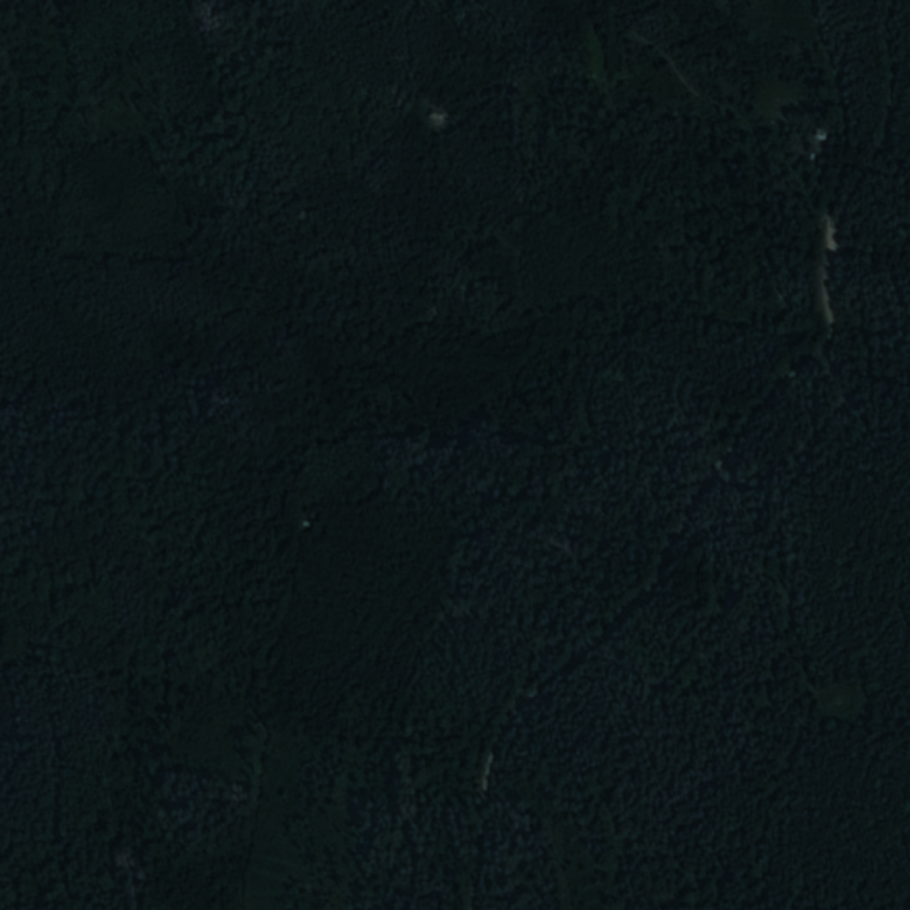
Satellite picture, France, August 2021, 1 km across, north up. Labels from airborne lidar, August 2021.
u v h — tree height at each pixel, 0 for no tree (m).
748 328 20
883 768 19
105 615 29
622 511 23
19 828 48
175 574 12
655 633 15
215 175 25
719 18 13
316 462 20
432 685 17
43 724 30
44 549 33
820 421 25
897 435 25
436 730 7
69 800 31
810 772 20
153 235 10
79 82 23
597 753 24
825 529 14
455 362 11
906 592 17
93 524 33
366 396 9
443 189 20
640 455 19
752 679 28
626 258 10
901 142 24
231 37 26
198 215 19
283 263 23
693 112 9
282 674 12
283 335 23
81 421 31
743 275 29
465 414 11
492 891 24
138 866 7
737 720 27
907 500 15
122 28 21
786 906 22
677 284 9
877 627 18
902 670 16
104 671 25
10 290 30
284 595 25
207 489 19
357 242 21
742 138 14
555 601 21
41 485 32
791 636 17
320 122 21
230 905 9
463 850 25
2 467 25
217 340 34
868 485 18
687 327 18
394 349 7
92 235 11
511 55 28
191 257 22
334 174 18
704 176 15
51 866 23
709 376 22
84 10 20
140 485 17
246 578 22
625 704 22
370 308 22
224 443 22
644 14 19
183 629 24
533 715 18
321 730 11
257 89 27
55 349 26
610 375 23
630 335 19
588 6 21
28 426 26
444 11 14
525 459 36
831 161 23
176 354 32
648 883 20
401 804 30
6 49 13
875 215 19
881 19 19
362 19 16
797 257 24
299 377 26
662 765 24
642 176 19
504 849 24
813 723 12
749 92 13
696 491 19
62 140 21
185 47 20
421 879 26
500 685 22
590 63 24
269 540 17
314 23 19
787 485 28
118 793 12
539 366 11
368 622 13
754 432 14
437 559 12
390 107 12
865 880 14
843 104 7
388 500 21
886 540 14
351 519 14
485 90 13
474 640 20
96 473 33
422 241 21
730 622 11
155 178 8
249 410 26
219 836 28
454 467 26
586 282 7
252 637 24
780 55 12
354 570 12
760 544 23
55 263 32
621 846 8
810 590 12
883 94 19
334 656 12
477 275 24
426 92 20
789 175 25
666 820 29
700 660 23
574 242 11
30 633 29
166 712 15
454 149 18
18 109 19
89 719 33
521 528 29
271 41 7
